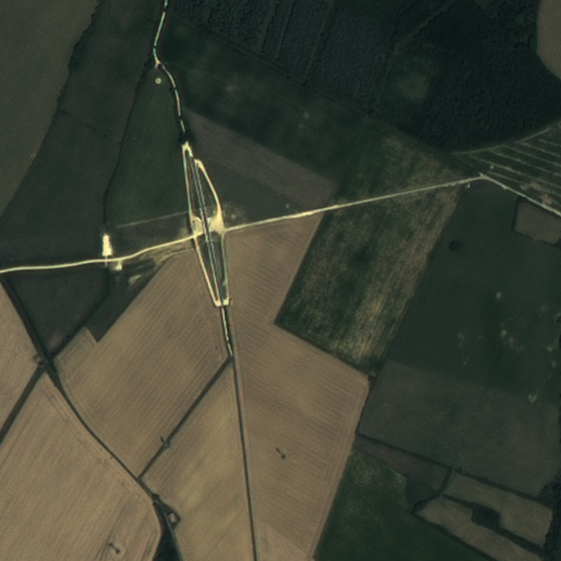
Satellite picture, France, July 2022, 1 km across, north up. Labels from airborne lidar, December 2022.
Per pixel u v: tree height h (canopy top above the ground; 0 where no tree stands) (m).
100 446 0
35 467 0
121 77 0
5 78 0
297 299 0
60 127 0
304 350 0
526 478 0
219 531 0
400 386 0
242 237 0
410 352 0
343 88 10
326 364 0
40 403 0
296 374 0
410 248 0
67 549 0
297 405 0
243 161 0
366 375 0
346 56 10
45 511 0
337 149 0
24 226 0
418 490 0
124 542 0
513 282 0
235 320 0
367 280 0
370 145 0
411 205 0
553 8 0
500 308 0
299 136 0
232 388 0
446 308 0
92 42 0
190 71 0
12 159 0
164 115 0
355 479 0
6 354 0
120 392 0
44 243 0
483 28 10
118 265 0
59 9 0
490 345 0
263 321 0
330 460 0
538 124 16
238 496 0
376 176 0
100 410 0
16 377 0
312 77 11
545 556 8
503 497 0
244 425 0
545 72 14
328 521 0
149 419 0
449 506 0
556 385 0
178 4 15
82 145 0
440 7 12
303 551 0
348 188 0
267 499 0
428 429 0
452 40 13
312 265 0
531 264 0
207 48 0
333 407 0
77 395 0
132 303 0
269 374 0
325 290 0
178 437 0
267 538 0
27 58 0
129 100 0
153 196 0
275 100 0
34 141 0
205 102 0
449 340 0
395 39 7
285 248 0
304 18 12
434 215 0
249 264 0
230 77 0
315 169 0
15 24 0
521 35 22
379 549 0
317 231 0
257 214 0
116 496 0
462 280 0
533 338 0
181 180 0
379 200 0
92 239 0
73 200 0
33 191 0
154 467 0
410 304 0
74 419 0
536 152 0
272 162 0
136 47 0
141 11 0
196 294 0
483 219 0
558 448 0
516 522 0
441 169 0
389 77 5
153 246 0
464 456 0
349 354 0
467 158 0
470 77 21
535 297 0
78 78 0
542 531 0
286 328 0
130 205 0
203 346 0
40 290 0
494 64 19
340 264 0
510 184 0
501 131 12
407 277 0
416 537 0
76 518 0
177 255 0
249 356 0
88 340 0
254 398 0
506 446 0
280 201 0
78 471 0
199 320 0
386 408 0
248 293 0
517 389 0
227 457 0
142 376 0
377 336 0
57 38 0
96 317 0
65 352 0
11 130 0
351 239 0
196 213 0
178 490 0
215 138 0
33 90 0
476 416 0
